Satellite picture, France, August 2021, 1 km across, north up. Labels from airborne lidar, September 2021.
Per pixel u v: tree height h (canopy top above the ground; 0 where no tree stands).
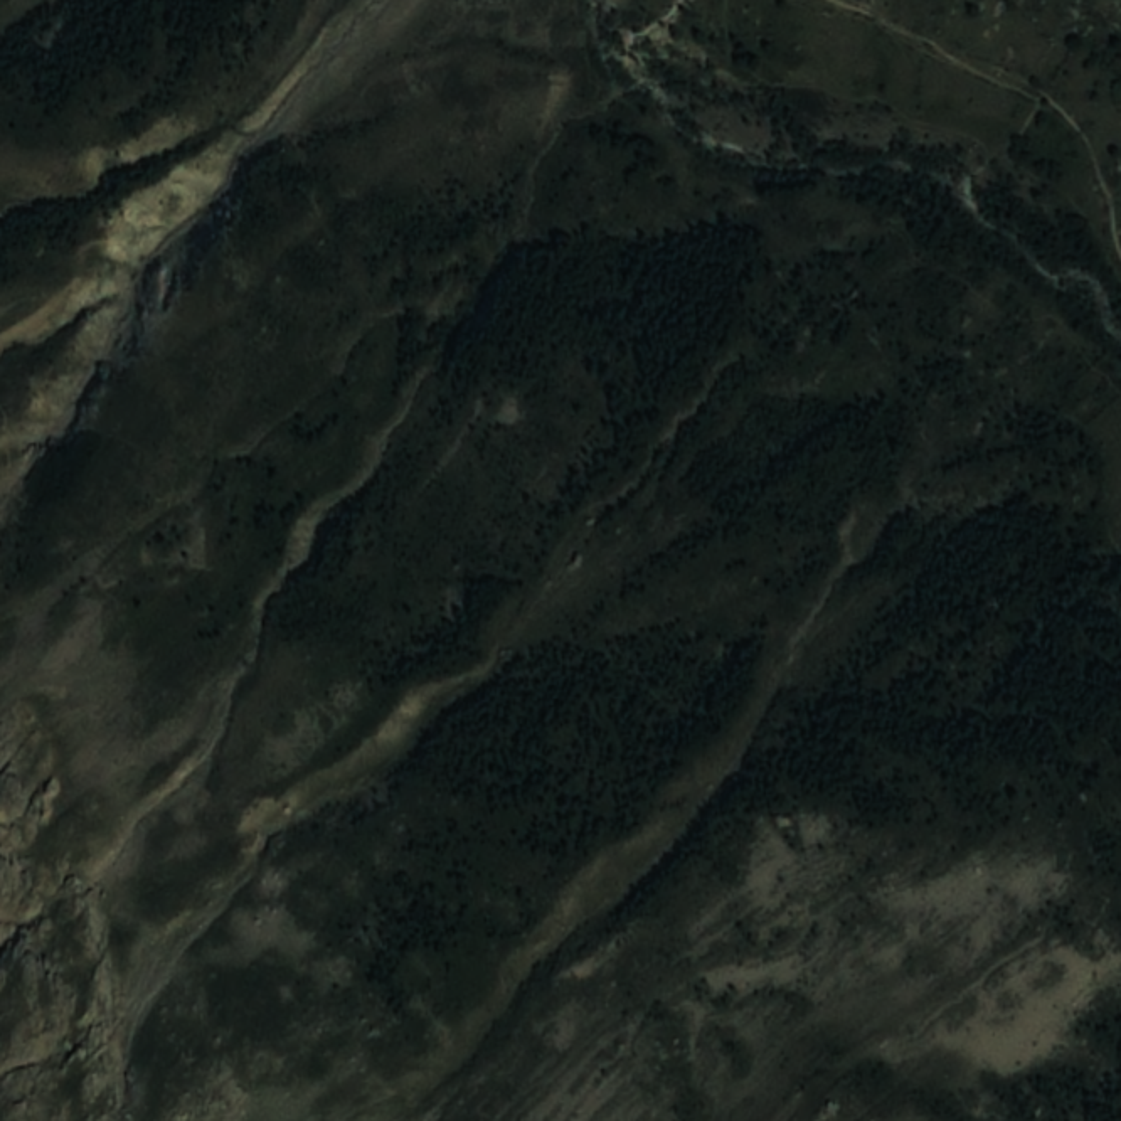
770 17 0
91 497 0
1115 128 0
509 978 0
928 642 16
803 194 20
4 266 7
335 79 0
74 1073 0
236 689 0
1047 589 11
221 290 0
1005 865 0
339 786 0
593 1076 0
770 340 13
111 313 0
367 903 0
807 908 0
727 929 0
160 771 0
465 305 6
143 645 0
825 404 9
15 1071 0
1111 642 21
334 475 0
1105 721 20
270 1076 0
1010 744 8
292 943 0
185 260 0
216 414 0
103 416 0
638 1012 0
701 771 0
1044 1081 9
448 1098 0
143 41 14
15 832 0
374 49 0
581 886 0
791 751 7
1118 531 0
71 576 0
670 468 7
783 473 17
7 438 0
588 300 6
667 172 0
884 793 11
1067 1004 0
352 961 0
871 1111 0
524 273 17
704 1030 0
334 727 0
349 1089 0
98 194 11
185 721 0
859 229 0
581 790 0
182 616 0
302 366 0
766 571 0
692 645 14
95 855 0
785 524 17
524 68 0
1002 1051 0
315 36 0
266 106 0
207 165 0
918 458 0
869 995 0
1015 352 0
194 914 0
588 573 0
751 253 17
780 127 11
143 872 0
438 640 7
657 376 19
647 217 0
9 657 0
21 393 0
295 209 0
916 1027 0
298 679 0
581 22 0
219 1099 0
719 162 9
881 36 0
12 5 0
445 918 7
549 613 0
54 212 12
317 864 0
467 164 0
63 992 0
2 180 0
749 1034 0
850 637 0
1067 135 0
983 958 0
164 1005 0
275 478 12
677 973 0
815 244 0
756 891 0
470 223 13
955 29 0
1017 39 0
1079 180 0
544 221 0
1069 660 23
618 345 20
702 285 21
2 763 0
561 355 10
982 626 18
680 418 0
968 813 7
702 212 0
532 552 7
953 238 8
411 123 0
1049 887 0
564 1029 0
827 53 0
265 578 0
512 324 15
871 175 8
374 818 0
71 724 0
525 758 10
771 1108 0
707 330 17
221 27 12
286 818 0
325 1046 0
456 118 0
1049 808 0
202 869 0
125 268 0
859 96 0
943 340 8
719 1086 0
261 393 0
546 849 8
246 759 0
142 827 0
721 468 8
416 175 0
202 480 0
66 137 0
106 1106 0
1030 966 0
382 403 0
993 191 6
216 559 0
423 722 0
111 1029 0
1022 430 9
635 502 11
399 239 8
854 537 0
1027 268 8
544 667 8
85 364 0
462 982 0
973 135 0
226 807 0
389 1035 0
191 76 9
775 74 0
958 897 0
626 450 8
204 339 0
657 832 0
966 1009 0
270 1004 0
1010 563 13
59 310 0
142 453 0
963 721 7
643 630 6
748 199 0
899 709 12
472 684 0
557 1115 0
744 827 6
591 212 0
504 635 0
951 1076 0
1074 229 6
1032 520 20
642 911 8
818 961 0
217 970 0
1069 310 7
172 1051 0
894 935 0
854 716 16
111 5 12
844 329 10
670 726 6
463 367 7
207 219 0
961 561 11
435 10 0
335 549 12
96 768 0
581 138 0
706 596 0
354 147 0
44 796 0
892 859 0
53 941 0
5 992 0
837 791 6
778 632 0
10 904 0
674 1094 0
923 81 0
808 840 0
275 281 0
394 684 11
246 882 0
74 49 12
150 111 8
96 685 0
